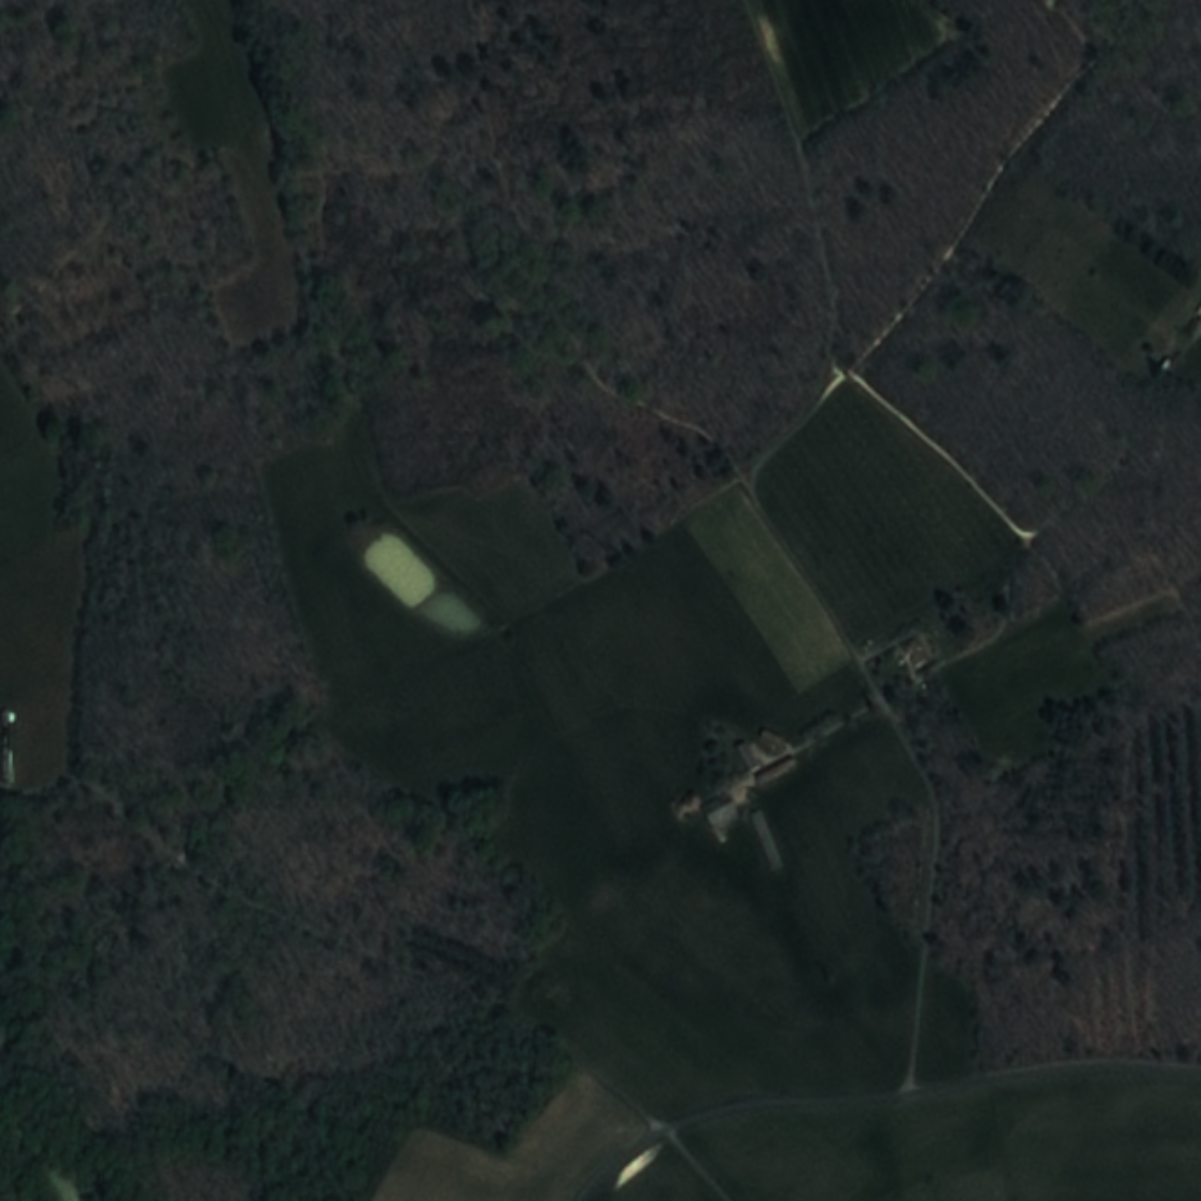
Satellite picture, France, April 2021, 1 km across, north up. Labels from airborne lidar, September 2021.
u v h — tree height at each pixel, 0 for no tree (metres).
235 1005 24
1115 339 0
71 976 12
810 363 14
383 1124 14
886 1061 0
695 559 0
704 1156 0
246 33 13
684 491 14
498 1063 25
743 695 0
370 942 19
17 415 0
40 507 0
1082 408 18
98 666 18
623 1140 0
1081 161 18
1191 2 21
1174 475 16
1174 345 0
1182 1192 0
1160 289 0
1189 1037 12
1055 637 0
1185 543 19
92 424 20
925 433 13
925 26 0
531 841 0
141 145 9
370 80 24
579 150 27
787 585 0
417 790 0
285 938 15
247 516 17
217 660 15
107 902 21
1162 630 15
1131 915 19
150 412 19
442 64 8
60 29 21
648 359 13
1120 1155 0
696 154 14
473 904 8
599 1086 0
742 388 15
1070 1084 0
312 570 0
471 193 11
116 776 19
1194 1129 0
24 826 22
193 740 12
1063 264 0
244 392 15
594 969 0
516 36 7
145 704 13
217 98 0
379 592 0
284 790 22
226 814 14
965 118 13
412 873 15
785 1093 0
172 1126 25
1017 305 20
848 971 0
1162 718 13
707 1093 0
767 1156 0
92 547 9
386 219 16
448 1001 14
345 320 25
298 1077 8
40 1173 23
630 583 0
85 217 18
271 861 21
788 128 14
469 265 7
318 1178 28
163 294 11
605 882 0
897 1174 0
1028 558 11
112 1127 22
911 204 11
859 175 15
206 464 9
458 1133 14
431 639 0
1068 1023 8
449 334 19
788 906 0
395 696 0
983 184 14
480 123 12
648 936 0
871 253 11
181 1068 24
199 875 15
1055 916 11
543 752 0
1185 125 18
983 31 14
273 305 0
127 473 16
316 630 0
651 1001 0
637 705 0
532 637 0
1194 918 14
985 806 8
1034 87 13
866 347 11
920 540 0
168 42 20
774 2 0
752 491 0
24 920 24
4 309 15
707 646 0
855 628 0
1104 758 7
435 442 6
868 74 0
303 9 25
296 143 22
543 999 0
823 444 0
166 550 14
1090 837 9
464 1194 0
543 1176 0
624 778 0
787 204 15
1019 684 0
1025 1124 0
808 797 0
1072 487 18
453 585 0
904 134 14
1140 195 17
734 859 0
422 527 0
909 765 0
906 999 0
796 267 14
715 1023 0
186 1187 20
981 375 17
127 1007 16
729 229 17
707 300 15
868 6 0
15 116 21
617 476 11
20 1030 20
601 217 23
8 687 0
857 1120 0
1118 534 14
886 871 7
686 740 0
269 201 0
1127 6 27
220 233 14
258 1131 26
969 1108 0
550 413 7
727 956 0
